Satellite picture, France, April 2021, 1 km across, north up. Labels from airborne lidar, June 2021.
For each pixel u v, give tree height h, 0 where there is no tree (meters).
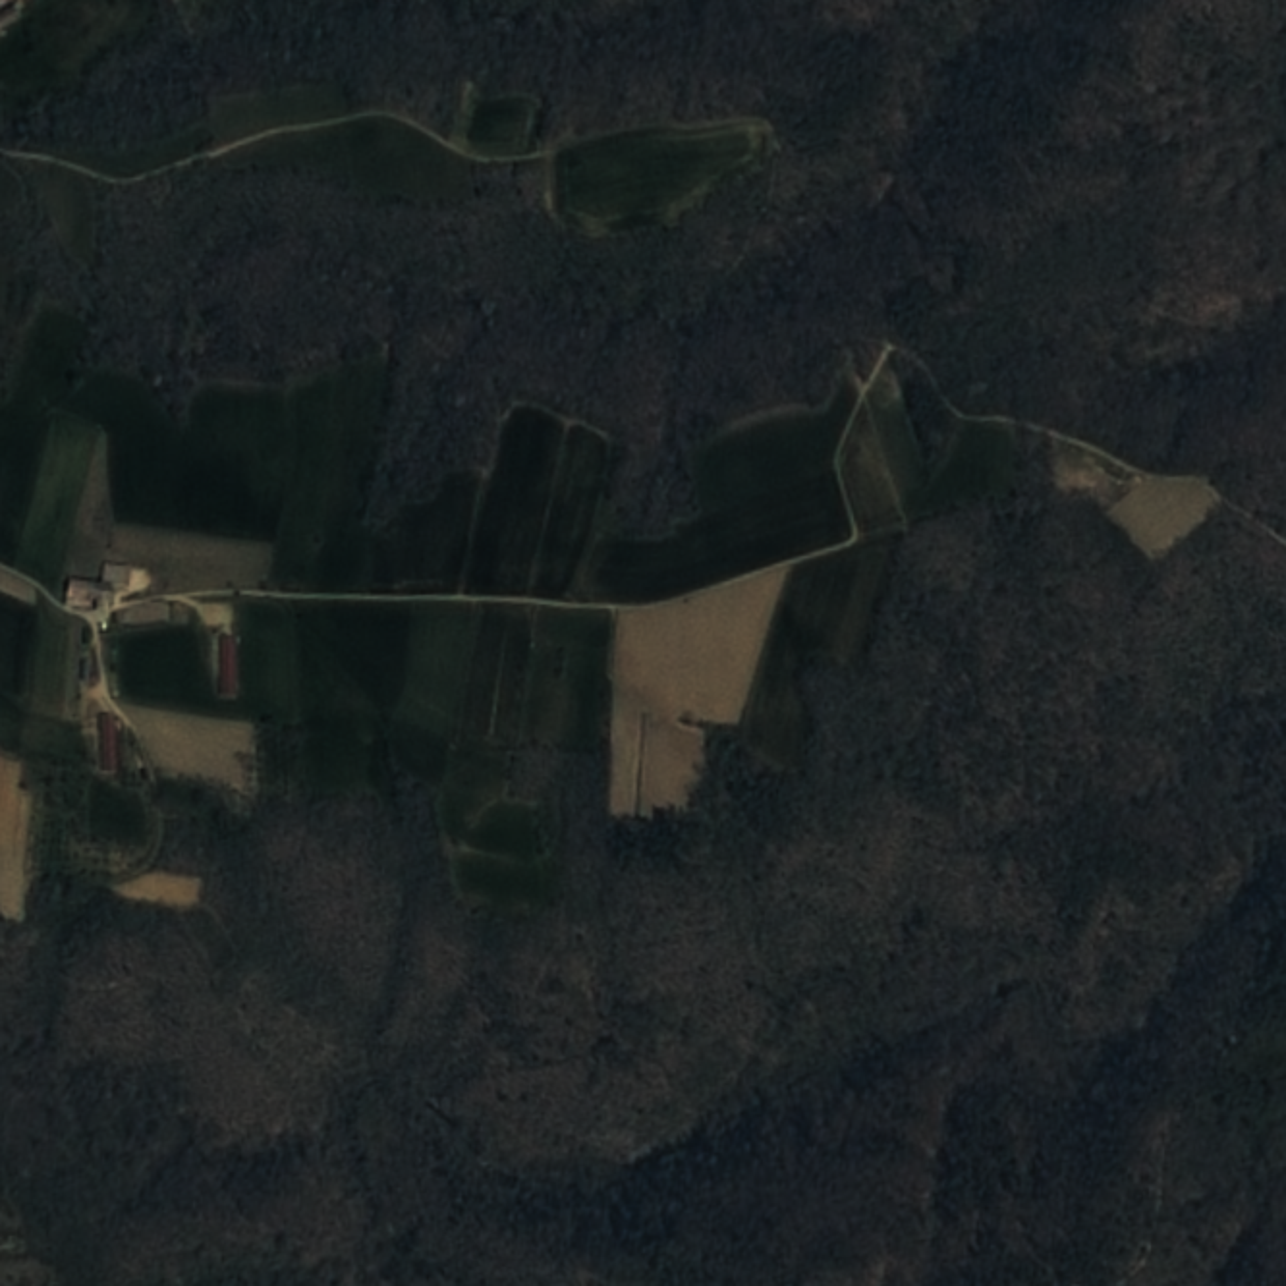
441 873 10
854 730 21
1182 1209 15
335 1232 16
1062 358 21
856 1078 13
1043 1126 16
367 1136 20
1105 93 11
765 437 0
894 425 0
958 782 13
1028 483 15
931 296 13
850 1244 16
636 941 9
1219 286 14
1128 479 0
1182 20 15
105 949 8
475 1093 8
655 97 8
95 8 0
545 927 9
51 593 0
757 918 8
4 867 0
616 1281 9
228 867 15
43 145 7
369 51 19
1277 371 12
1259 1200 33
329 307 23
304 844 8
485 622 0
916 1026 11
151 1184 13
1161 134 17
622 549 0
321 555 0
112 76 17
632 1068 13
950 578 10
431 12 21
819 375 14
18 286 7
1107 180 19
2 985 9
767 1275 15
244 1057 8
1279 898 10
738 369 18
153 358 17
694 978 9
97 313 23
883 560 0
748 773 14
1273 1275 17
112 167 0
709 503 0
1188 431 22
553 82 15
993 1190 15
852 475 0
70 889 9
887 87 18
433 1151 6
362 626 0
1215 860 19
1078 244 17
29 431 0
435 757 0
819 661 7
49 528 0
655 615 0
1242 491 13
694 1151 7
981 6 16
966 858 12
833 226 25
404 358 14
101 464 0
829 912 7
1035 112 14
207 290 16
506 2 26
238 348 16
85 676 0
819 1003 23
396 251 21
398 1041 6
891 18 24
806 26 26
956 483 0
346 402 0
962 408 17
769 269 28
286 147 0
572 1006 8
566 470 0
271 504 0
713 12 24
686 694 0
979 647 15
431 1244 14
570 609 0
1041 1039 9
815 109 12
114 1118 10
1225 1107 20
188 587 0
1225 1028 18
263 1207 19
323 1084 8
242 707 0
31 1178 11
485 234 12
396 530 0
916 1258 23
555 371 17
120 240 16
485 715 0
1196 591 6
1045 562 15
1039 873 6
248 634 0
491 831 0
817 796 11
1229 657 7
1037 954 17
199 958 8
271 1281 12
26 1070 20
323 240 27
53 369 0
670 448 25
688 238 11
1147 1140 14
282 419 0
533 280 21
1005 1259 14
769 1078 16
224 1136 17
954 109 23
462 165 0
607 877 14
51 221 8
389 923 8
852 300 15
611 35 21
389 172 0
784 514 0
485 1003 14
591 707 0
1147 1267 7
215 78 10
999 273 10
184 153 0
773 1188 24
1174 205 18
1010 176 14
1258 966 17
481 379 17
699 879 14
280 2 26
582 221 0
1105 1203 14
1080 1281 12
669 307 24
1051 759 12
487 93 9
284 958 12
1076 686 13
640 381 20
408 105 6
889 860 9
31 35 11
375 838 9
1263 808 7
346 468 0
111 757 0
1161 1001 12
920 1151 15
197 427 0
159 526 0
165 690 0
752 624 0
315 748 0
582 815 17
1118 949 18
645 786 0
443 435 17
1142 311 14
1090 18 17
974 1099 22
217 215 18
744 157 0
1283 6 7
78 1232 12
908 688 16
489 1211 14
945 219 21
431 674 0
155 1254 9
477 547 0
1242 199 18
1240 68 8
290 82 14
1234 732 15
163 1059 9
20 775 0
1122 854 13
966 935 14
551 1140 8
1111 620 13
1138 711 14
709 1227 16
